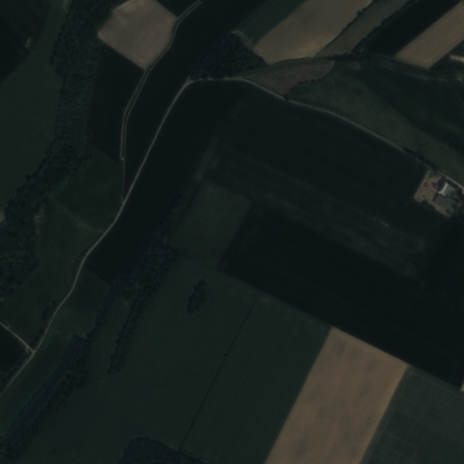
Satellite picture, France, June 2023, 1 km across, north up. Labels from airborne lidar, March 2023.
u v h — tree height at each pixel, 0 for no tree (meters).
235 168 0
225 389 0
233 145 0
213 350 0
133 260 0
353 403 0
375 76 0
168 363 0
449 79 0
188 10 0
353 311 0
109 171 0
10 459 9
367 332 0
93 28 22
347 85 0
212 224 0
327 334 0
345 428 0
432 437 0
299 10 0
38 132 0
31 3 0
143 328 0
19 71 0
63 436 0
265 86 0
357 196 0
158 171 0
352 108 0
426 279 0
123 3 0
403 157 0
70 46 22
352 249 0
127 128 0
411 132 0
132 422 0
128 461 27
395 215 0
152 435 0
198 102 0
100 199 0
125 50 0
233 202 0
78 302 0
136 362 0
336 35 0
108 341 0
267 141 0
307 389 0
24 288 0
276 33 0
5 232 29
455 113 0
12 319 0
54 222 0
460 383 0
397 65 0
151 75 0
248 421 0
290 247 0
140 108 0
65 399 10
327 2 0
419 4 0
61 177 22
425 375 0
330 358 0
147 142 0
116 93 0
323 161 0
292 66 0
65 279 0
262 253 0
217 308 0
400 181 0
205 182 0
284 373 0
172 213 12
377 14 0
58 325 0
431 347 0
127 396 0
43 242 0
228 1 0
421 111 0
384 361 0
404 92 0
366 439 0
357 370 0
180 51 0
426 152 0
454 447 0
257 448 0
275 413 0
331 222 0
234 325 0
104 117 0
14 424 0
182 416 0
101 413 0
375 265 0
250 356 0
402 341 0
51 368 0
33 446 0
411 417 0
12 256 21
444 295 0
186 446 0
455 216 0
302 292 0
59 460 0
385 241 0
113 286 0
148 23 0
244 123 0
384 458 0
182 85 0
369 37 6
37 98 0
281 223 0
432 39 0
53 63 13
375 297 0
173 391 0
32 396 0
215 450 0
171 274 0
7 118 0
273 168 0
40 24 0
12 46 0
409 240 0
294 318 0
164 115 0
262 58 8
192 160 0
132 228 0
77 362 25
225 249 0
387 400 0
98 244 0
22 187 9
